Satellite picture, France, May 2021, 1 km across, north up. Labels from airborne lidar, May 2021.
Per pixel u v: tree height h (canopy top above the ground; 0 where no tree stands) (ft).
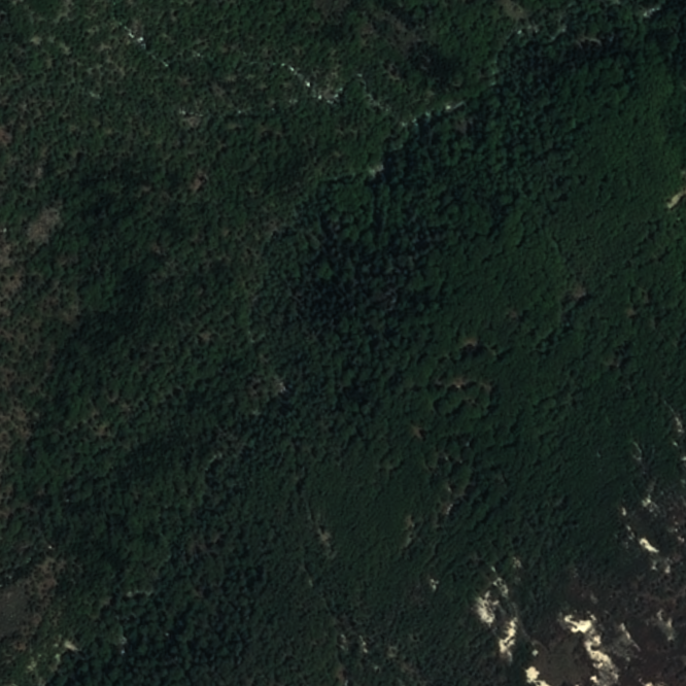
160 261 39
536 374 94
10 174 28
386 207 103
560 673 0
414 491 52
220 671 72
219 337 56
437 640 42
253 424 36
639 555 20
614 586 29
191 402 24
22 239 28
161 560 61
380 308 48
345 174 61
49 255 48
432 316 97
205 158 40
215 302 52
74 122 53
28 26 33
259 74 36
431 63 26
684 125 40
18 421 37
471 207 88
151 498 69
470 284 92
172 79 25
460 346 82
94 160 39
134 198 39
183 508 73
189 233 22
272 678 37
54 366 21
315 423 54
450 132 48
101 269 28
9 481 51
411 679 25
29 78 33
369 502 47
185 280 44
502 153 75
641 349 51
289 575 31
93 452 71
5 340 41
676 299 64
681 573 37
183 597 73
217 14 56
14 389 50
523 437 86
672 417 19
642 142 67
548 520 61
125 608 76
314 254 60
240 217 61
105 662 28
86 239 73
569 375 42
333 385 80
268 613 38
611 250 57
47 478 93
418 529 38
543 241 84
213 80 23
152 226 57
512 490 69
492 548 70
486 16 62
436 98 30
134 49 48
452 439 37
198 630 89
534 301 77
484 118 52
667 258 67
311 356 53
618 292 81
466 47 66
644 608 32
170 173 23
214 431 24
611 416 61
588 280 36
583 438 52
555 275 60
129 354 29
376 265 95
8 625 0
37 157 29
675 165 60
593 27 92
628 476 33
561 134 77
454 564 49
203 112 39
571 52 56
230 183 63
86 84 29
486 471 72
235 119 85
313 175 44
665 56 61
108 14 37
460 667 31
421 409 77
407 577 24
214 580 80
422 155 95
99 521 49
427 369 86
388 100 20
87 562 46
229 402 66
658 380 38
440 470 28
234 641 45
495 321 78
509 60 61
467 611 33
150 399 66
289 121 67
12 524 75
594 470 26
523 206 93
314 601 42
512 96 76
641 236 66
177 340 64
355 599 38
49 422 36
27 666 26
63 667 55
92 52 51
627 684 0
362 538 48
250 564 56
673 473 31
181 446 20
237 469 48
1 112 64
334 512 30
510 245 95
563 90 89
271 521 58
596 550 40
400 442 61
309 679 44
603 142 75
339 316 70
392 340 81
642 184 69
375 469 36
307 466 59
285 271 44
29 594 28
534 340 85
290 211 55
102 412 61
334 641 46
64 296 52
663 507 18
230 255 45
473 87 49
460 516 71
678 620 23
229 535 67
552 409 38
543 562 50
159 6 44
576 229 60
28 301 30
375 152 96
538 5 71
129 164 39
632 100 80
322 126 68
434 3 71
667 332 59
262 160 37
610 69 62
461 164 91
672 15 69
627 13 104
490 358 73
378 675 54
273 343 54
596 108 95
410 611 19
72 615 51
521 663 24
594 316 70
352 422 68
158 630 75
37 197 69
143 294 30
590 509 39
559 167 72
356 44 36
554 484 54
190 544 31
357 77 41
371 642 42
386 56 58
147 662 87
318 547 34
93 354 50
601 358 57
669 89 77
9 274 48
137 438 48
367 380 51
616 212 70
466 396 59
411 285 132
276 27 49
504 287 78
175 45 34
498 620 27
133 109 33
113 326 52
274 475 43
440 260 94
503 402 84
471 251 95
